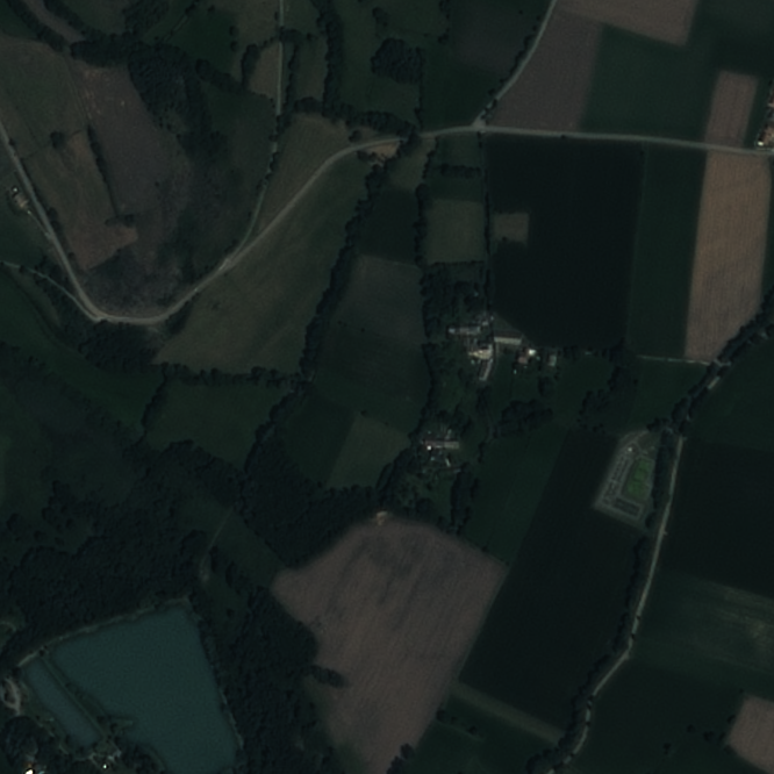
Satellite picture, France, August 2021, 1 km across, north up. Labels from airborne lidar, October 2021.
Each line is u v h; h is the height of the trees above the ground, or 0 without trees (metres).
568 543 0
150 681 0
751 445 0
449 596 0
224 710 12
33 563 15
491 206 12
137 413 0
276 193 0
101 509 12
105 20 0
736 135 0
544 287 0
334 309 20
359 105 0
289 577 0
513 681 0
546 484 0
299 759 23
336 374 0
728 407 0
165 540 10
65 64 0
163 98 17
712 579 0
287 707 22
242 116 0
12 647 10
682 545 0
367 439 0
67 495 17
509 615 0
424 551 0
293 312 0
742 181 0
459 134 0
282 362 0
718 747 11
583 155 0
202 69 22
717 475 0
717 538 0
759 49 0
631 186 0
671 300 0
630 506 0
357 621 0
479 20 0
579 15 0
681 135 0
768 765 0
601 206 0
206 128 10
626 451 0
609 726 0
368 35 0
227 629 6
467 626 0
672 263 0
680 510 0
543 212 0
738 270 0
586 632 0
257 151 0
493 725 0
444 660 0
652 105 0
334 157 0
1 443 0
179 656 0
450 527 15
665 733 0
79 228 0
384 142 0
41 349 0
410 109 0
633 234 0
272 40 8
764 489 0
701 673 0
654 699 0
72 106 0
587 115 0
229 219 0
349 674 0
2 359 6
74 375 0
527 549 0
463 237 0
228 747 0
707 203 0
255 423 0
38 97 0
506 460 0
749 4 0
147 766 10
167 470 9
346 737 0
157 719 0
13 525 17
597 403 16
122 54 12
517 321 0
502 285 0
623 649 18
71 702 0
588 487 0
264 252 0
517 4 0
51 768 7
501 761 0
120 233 0
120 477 0
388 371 0
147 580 7
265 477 22
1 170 0
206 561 0
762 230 0
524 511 0
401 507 10
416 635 0
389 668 0
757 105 0
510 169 0
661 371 0
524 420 16
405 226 0
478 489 17
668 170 0
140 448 12
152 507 9
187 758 0
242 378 11
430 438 0
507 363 0
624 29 0
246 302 0
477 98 0
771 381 0
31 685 0
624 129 0
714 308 0
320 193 0
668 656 0
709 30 0
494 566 0
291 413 17
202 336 0
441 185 0
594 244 0
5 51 0
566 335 0
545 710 0
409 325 0
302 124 0
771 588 0
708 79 0
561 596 0
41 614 20
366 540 0
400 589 0
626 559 0
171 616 0
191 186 0
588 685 9
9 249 0
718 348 0
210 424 0
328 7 17
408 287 0
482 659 0
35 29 12
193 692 0
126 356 17
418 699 0
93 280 0
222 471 18
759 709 0
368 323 0
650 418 0
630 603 14
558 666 0
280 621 23
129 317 0
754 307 0
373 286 0
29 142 0
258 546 0
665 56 0
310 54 0
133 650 0
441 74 0
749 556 0
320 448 0
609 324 0
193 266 8
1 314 0
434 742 0
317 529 27
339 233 0
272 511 24
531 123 0
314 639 15
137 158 0
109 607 21
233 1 0
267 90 0
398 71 17
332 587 0
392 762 0
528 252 0
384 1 0
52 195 0
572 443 0
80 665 0
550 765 18
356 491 14
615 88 0
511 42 0
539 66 0
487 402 16
